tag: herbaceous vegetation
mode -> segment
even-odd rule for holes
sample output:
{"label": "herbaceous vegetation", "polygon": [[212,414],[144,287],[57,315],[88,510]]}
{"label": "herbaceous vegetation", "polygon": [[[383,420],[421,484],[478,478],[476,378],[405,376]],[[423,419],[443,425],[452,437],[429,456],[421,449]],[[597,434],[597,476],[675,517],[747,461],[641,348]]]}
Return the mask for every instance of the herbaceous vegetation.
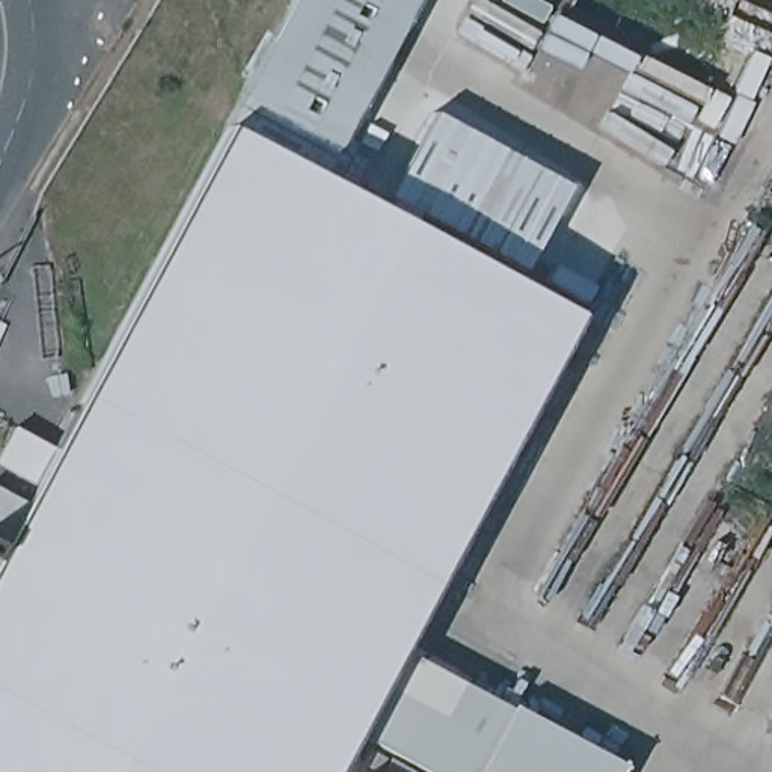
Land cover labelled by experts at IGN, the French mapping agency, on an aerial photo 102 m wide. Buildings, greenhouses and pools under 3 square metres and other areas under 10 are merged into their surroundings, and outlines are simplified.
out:
{"label": "herbaceous vegetation", "polygon": [[736,473],[748,467],[748,446],[739,443],[736,452],[724,461],[718,489],[730,489]]}
{"label": "herbaceous vegetation", "polygon": [[130,302],[136,299],[154,256],[160,253],[169,229],[175,226],[196,178],[202,175],[229,121],[229,112],[241,97],[247,60],[253,57],[259,39],[283,21],[290,0],[97,0],[93,36],[103,60],[93,72],[93,87],[81,100],[66,103],[66,118],[51,148],[30,175],[33,205],[39,205],[42,214],[42,247],[51,247],[48,259],[54,265],[54,274],[63,277],[66,253],[78,253],[87,311],[93,320],[93,347],[103,356]]}
{"label": "herbaceous vegetation", "polygon": [[736,84],[718,66],[676,48],[679,36],[663,39],[657,30],[612,12],[597,0],[546,0],[558,15],[642,57],[654,57],[715,87],[724,97],[736,97]]}
{"label": "herbaceous vegetation", "polygon": [[772,431],[772,389],[766,392],[763,416],[754,425],[751,446],[757,449],[763,437]]}

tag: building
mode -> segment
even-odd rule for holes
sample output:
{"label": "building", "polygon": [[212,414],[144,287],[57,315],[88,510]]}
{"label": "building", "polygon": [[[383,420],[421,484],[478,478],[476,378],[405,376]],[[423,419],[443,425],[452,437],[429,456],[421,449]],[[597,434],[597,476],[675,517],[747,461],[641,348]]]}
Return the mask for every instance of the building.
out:
{"label": "building", "polygon": [[525,706],[504,703],[501,697],[428,660],[416,645],[467,543],[473,540],[489,504],[495,501],[510,464],[516,461],[531,425],[537,422],[555,380],[561,377],[573,347],[579,344],[588,326],[585,308],[561,299],[558,293],[528,277],[552,232],[558,229],[558,220],[576,190],[576,181],[461,124],[458,118],[446,115],[446,106],[440,106],[431,115],[431,121],[422,124],[410,139],[398,133],[389,139],[374,139],[368,127],[359,124],[389,63],[395,60],[422,0],[290,0],[283,21],[259,39],[253,57],[247,60],[241,97],[229,112],[229,121],[202,175],[196,178],[175,226],[169,229],[160,253],[154,256],[136,299],[130,302],[103,356],[81,389],[81,413],[63,410],[63,419],[57,422],[60,443],[48,443],[24,428],[12,431],[9,443],[0,437],[0,772],[347,772],[380,709],[392,715],[380,736],[380,745],[425,772],[630,772],[630,760],[603,751],[600,745],[570,733],[567,727]]}

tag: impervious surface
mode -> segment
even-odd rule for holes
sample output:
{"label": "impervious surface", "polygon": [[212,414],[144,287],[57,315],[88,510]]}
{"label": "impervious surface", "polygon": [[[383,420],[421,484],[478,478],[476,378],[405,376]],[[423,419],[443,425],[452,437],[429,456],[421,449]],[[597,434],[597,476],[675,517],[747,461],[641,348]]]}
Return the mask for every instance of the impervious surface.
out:
{"label": "impervious surface", "polygon": [[347,772],[425,772],[380,745],[380,736],[392,715],[380,709]]}
{"label": "impervious surface", "polygon": [[51,148],[66,118],[66,103],[81,100],[93,87],[93,72],[103,60],[93,36],[97,0],[0,0],[0,437],[9,443],[12,431],[24,428],[48,443],[60,443],[57,422],[63,419],[63,410],[81,413],[81,389],[69,389],[69,380],[60,365],[63,332],[57,302],[51,302],[54,274],[54,265],[48,259],[51,247],[42,247],[42,214],[39,205],[33,205],[30,175]]}
{"label": "impervious surface", "polygon": [[573,347],[561,377],[555,380],[537,422],[531,425],[516,461],[510,464],[495,501],[489,504],[473,540],[467,543],[416,645],[428,660],[501,697],[504,703],[525,706],[567,727],[570,733],[600,745],[603,751],[630,760],[630,772],[772,772],[772,528],[763,534],[757,528],[745,531],[742,522],[733,519],[727,522],[730,507],[724,504],[724,495],[718,489],[724,461],[736,452],[739,443],[748,446],[751,446],[754,425],[763,416],[766,392],[772,389],[772,0],[706,0],[715,6],[712,18],[721,18],[727,24],[718,66],[736,84],[736,97],[724,97],[715,87],[654,57],[642,57],[558,15],[546,0],[422,0],[395,60],[389,63],[359,124],[368,127],[374,139],[389,139],[398,133],[410,139],[422,124],[431,121],[431,115],[440,106],[446,106],[446,115],[458,118],[461,124],[576,181],[576,190],[558,220],[558,229],[552,232],[528,277],[558,293],[561,299],[585,308],[588,326],[579,344]]}

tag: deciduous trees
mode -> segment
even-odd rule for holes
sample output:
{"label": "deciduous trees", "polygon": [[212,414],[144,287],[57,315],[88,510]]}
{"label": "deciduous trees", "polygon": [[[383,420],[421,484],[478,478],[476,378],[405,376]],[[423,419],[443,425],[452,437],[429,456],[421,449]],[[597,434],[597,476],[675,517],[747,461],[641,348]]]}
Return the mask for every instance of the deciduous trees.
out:
{"label": "deciduous trees", "polygon": [[103,356],[93,347],[93,320],[87,311],[78,253],[66,253],[63,277],[54,274],[51,302],[57,302],[63,332],[60,365],[69,380],[69,389],[81,389]]}
{"label": "deciduous trees", "polygon": [[727,24],[721,18],[712,18],[715,6],[706,0],[597,0],[612,12],[657,30],[663,39],[679,36],[676,48],[718,66]]}
{"label": "deciduous trees", "polygon": [[733,519],[742,522],[745,531],[757,528],[763,534],[772,528],[772,431],[763,437],[757,449],[751,446],[748,446],[748,467],[736,473],[730,489],[718,489],[724,495],[724,504],[730,507],[727,522]]}

